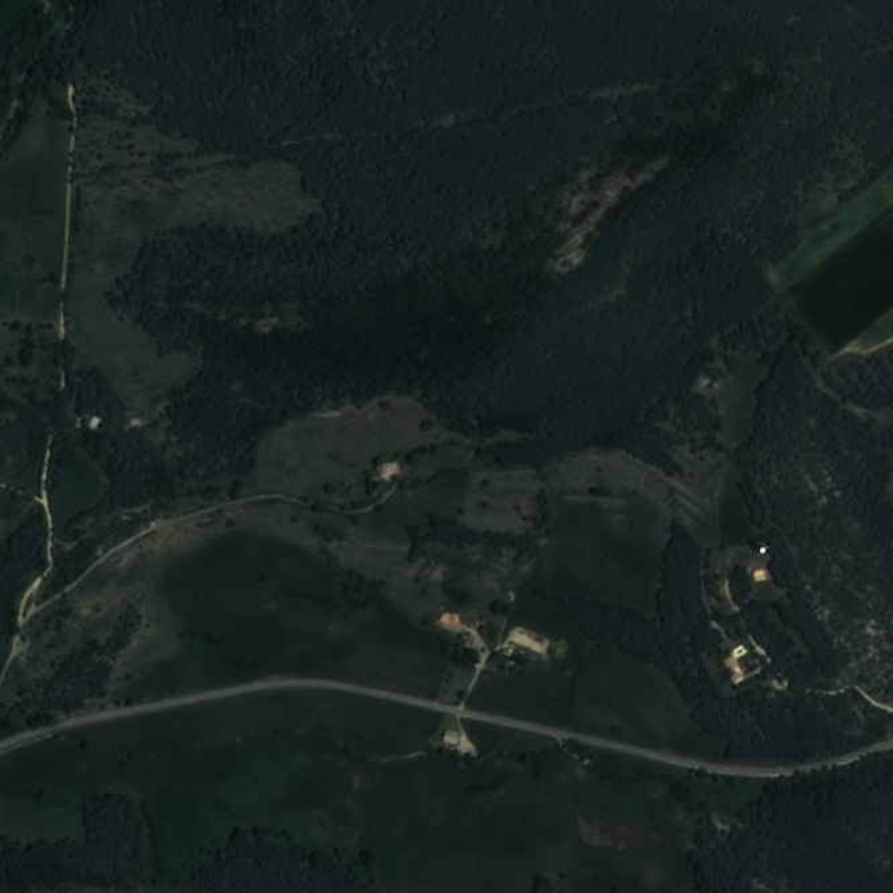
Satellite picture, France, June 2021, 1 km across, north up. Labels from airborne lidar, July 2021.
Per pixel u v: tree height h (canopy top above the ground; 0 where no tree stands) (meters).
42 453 7
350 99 10
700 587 7
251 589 0
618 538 0
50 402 12
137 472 13
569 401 13
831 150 6
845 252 0
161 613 0
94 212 0
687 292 11
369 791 0
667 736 0
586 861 0
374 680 0
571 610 9
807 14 7
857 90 11
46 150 0
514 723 0
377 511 7
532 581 0
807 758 11
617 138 8
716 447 13
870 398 8
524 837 0
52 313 0
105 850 13
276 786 0
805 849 7
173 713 0
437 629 0
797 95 10
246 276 9
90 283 0
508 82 12
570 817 0
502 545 11
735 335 11
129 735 0
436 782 0
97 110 14
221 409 11
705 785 0
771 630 10
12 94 7
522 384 10
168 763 0
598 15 10
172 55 10
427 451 15
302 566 0
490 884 0
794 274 0
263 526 0
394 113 8
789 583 9
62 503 0
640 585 0
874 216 0
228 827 0
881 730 8
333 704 0
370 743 0
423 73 10
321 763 0
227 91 8
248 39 6
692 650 7
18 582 11
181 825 0
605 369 13
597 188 7
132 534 6
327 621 0
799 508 7
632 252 9
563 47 11
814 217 0
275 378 12
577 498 0
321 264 11
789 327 8
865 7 7
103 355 0
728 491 0
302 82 12
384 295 8
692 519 0
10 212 0
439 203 12
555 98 8
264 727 0
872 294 0
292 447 0
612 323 8
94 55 17
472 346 8
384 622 0
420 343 7
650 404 10
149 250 9
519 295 8
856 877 10
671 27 11
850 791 17
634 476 0
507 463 14
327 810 0
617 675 0
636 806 0
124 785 0
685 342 12
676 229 11
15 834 0
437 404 7
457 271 8
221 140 12
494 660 11
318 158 8
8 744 0
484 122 13
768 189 9
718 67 7
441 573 0
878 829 7
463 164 14
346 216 12
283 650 0
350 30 7
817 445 6
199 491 12
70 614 7
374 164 9
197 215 0
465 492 0
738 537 0
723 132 13
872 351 0
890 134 10
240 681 0
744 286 13
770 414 9
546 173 11
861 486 10
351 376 10
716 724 9
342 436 0
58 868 7
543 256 8
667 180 12
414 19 9
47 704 8
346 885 15
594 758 12
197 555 0
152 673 0
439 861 0
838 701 8
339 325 8
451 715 0
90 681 8
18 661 0
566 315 9
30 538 10
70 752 0
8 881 6
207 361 9
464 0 9
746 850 10
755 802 7
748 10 7
